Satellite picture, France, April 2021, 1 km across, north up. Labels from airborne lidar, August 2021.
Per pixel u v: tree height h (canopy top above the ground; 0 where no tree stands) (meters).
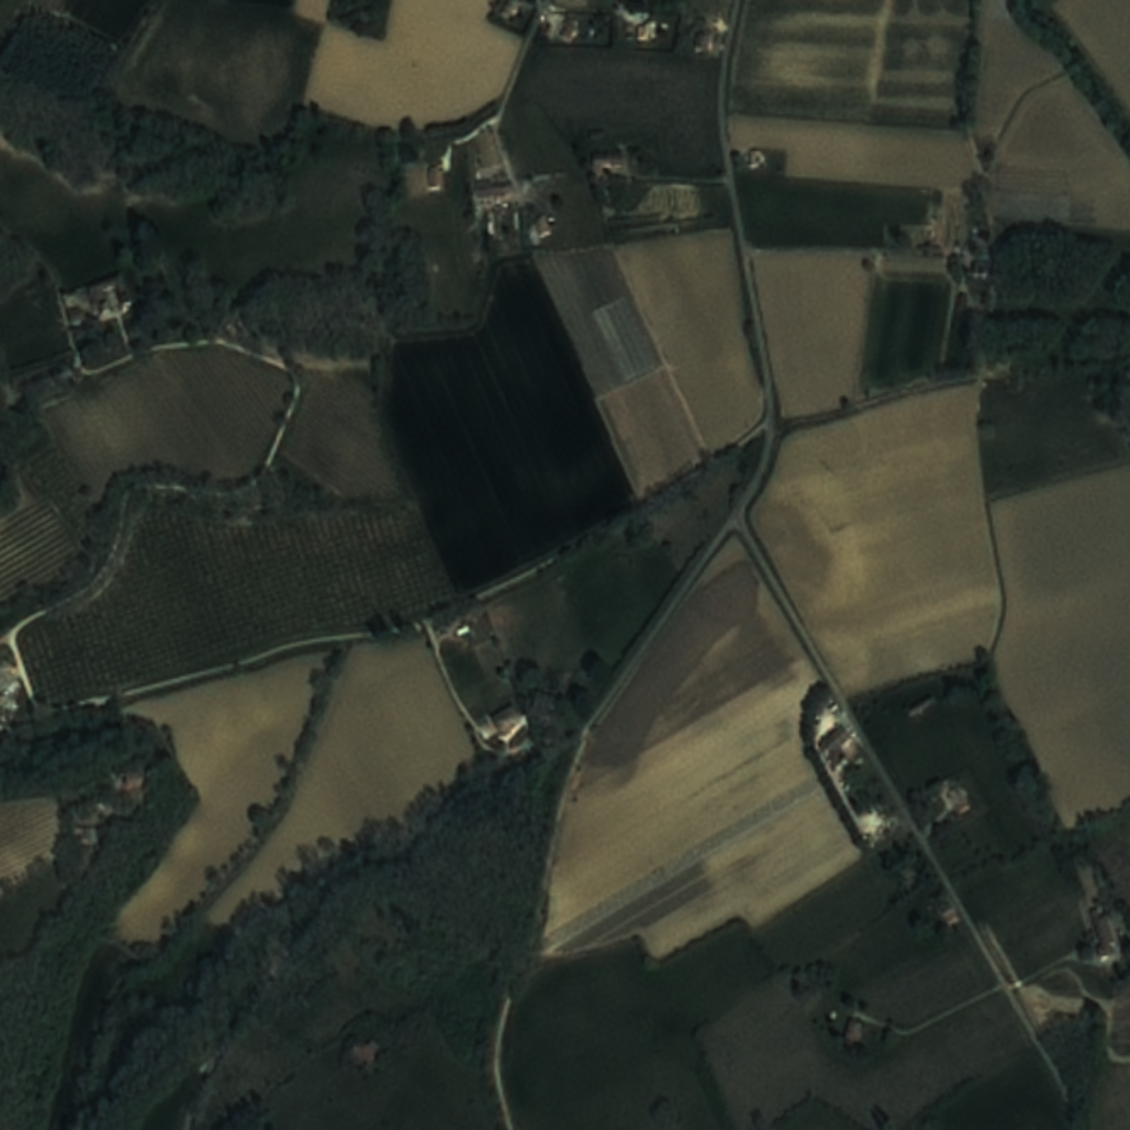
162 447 0
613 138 0
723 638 0
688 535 0
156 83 0
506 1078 0
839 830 0
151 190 22
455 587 0
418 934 15
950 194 0
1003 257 18
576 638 0
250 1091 0
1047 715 0
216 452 0
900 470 0
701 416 0
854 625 0
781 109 0
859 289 0
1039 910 0
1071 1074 14
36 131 22
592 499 0
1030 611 0
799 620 0
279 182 20
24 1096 17
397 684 0
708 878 0
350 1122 0
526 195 0
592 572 0
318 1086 0
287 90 0
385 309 19
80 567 14
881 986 0
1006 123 0
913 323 0
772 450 0
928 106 0
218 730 0
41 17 9
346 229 0
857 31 0
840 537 0
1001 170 0
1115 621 0
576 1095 0
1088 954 13
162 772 15
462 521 0
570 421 0
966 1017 0
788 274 0
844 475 0
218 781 0
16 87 17
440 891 16
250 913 0
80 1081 17
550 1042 0
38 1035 23
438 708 0
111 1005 7
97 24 0
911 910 0
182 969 7
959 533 0
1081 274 29
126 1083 24
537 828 22
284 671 0
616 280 0
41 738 10
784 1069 0
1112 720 0
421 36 0
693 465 0
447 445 0
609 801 0
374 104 0
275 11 0
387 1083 0
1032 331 22
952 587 0
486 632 0
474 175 0
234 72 0
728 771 0
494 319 0
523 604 0
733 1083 0
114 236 16
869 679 0
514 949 17
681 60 0
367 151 0
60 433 0
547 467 0
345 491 0
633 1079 0
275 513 23
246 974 22
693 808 0
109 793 14
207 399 0
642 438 0
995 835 0
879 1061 0
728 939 0
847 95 0
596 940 0
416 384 0
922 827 14
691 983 0
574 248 0
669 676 0
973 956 0
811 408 0
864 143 0
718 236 0
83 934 23
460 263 0
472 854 16
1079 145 0
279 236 0
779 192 0
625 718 0
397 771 0
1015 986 0
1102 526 0
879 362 0
